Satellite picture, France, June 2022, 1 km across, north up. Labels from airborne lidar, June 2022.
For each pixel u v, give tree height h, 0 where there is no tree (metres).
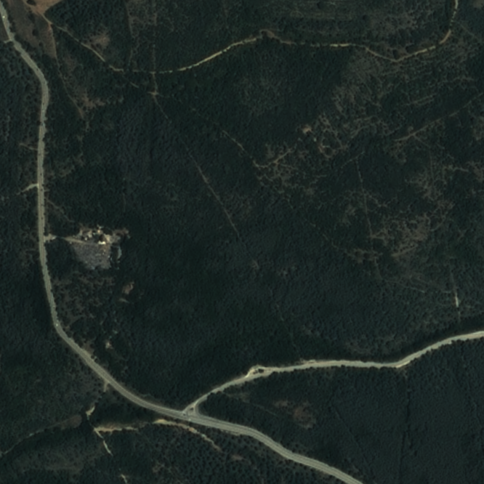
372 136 12
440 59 8
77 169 11
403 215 7
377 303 12
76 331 15
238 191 16
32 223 14
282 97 6
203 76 9
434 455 16
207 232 7
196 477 9
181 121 7
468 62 9
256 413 16
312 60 7
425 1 9
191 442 15
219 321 14
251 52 8
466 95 9
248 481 10
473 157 8
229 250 15
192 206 6
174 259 15
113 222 9
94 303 6
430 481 16
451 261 8
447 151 11
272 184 6
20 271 13
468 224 9
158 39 8
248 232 12
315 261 9
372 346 7
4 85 16
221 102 9
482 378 12
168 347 15
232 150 12
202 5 8
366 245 10
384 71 7
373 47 9
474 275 9
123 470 10
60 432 10
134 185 8
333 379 7
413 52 14
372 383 13
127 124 21
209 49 8
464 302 11
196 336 13
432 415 15
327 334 15
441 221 9
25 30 0
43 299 13
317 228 8
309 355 9
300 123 9
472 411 16
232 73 9
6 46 17
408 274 0
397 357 9
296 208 15
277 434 18
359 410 15
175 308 11
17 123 12
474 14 12
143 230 8
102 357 10
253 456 11
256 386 13
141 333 12
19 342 17
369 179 8
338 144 11
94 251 0
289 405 6
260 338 7
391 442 15
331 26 14
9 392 8
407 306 9
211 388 7
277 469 8
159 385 9
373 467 15
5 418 10
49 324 14
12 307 11
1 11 0
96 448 10
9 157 14
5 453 9
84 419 9
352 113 14
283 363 9
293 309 11
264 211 14
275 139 8
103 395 15
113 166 6
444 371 14
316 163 8
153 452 6
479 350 13
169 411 0
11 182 13
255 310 11
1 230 16
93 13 11
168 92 13
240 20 8
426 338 12
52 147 8
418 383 14
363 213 7
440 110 6
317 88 10
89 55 11
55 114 6
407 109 11
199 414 0
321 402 9
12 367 12
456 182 13
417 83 9
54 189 7
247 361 11
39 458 8
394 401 15
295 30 9
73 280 13
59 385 7
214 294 10
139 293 8
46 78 10
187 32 7
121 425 0
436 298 10
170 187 9
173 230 6
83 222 10
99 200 13
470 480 12
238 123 7
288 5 6
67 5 18
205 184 9
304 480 17
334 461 13
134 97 12
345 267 17
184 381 8
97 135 10
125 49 9
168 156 15
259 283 14
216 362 9
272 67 5
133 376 9
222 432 11
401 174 7
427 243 11
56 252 12
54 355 11
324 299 8
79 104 11
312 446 17
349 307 15
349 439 17
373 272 8
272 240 15
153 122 9
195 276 10
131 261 9
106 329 11
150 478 11
